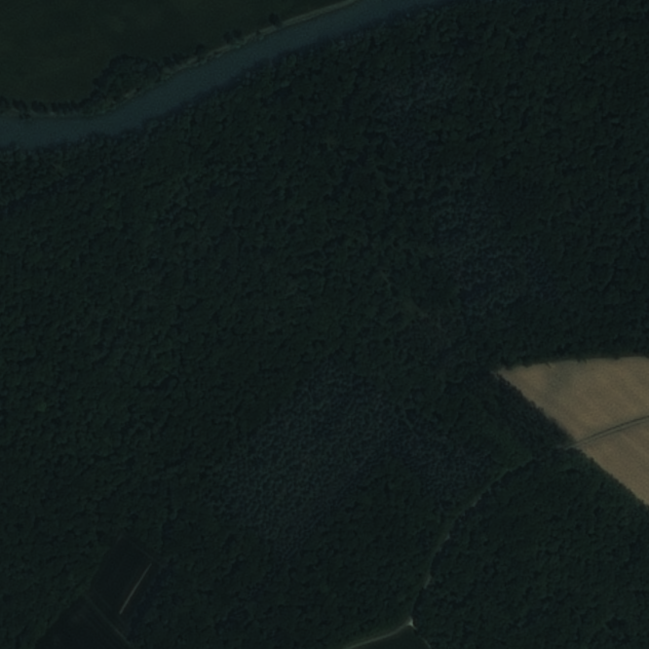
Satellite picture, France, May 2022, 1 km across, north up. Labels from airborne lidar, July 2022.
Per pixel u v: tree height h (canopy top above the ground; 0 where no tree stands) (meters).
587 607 15
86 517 26
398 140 24
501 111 12
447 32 30
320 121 30
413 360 25
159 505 26
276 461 29
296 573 32
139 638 21
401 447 24
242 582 26
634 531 17
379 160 28
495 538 26
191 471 25
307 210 23
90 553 25
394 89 25
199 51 13
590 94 29
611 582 20
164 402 31
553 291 26
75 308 26
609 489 24
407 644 0
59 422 24
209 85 0
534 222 29
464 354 22
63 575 25
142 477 26
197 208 19
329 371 26
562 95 23
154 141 27
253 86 28
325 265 10
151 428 29
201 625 32
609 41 30
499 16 28
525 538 22
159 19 0
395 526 26
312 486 28
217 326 24
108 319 21
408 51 23
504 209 29
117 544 0
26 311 30
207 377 26
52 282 24
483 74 29
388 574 26
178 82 0
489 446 26
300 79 28
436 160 21
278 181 26
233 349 24
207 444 26
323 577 25
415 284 27
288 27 0
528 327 29
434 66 32
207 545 28
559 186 24
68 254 26
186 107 18
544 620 26
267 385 26
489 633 20
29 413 25
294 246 30
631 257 20
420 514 24
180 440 27
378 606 26
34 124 0
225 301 25
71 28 0
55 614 21
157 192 23
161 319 23
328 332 18
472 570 25
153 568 0
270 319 28
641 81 27
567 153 25
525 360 24
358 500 28
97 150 15
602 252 26
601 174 27
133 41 0
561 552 19
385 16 0
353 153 27
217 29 0
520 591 16
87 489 26
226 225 8
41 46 0
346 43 25
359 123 29
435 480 33
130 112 0
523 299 29
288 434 29
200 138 24
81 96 0
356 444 28
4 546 25
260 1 0
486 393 40
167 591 22
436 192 10
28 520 29
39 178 17
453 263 29
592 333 28
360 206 26
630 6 31
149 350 29
